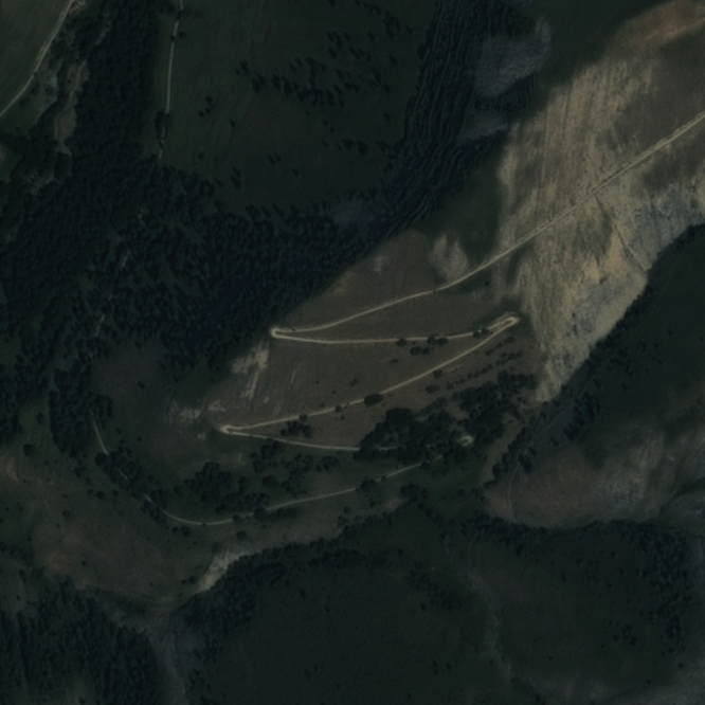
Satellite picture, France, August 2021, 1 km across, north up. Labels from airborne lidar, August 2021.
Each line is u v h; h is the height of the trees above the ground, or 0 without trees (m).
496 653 0
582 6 0
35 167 15
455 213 0
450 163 15
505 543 7
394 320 0
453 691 0
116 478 22
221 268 16
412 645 0
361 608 0
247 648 0
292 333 0
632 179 0
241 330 9
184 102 0
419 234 0
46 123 25
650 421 0
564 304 0
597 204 0
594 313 0
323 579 0
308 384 0
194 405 0
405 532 0
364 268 0
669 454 0
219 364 8
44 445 0
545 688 0
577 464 0
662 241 0
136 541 0
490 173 0
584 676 0
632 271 0
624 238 0
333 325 0
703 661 0
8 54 0
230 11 0
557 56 0
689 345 0
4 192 19
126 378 0
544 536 10
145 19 12
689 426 0
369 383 0
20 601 8
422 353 7
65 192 15
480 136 0
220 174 0
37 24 0
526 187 0
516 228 0
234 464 0
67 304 20
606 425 0
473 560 0
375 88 10
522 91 6
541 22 0
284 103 0
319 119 0
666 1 0
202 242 0
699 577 0
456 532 0
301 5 0
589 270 0
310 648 0
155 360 0
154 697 18
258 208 0
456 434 12
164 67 0
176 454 0
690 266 0
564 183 0
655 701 0
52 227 16
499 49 0
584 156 0
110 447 0
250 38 0
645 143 0
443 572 0
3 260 12
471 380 9
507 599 0
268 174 0
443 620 0
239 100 0
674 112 0
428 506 7
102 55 16
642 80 0
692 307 0
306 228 15
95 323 16
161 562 0
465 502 0
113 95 17
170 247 20
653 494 0
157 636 0
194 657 0
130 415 0
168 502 8
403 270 0
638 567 0
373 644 0
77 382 17
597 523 7
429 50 9
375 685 0
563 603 0
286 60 0
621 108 0
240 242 19
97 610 14
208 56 0
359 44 0
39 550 0
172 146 0
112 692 12
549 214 0
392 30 11
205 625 8
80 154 15
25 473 0
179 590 0
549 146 0
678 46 0
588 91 0
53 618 14
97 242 17
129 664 15
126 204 21
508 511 0
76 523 0
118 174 18
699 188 0
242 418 0
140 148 9
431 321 0
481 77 0
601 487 0
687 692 0
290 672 0
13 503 0
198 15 0
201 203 17
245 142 0
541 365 0
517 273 0
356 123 0
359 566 14
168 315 20
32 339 16
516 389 14
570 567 0
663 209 0
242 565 9
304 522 0
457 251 0
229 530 0
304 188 0
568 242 0
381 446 18
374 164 0
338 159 0
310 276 8
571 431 0
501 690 0
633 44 0
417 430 18
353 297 0
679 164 0
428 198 10
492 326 0
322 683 0
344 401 0
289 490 12
